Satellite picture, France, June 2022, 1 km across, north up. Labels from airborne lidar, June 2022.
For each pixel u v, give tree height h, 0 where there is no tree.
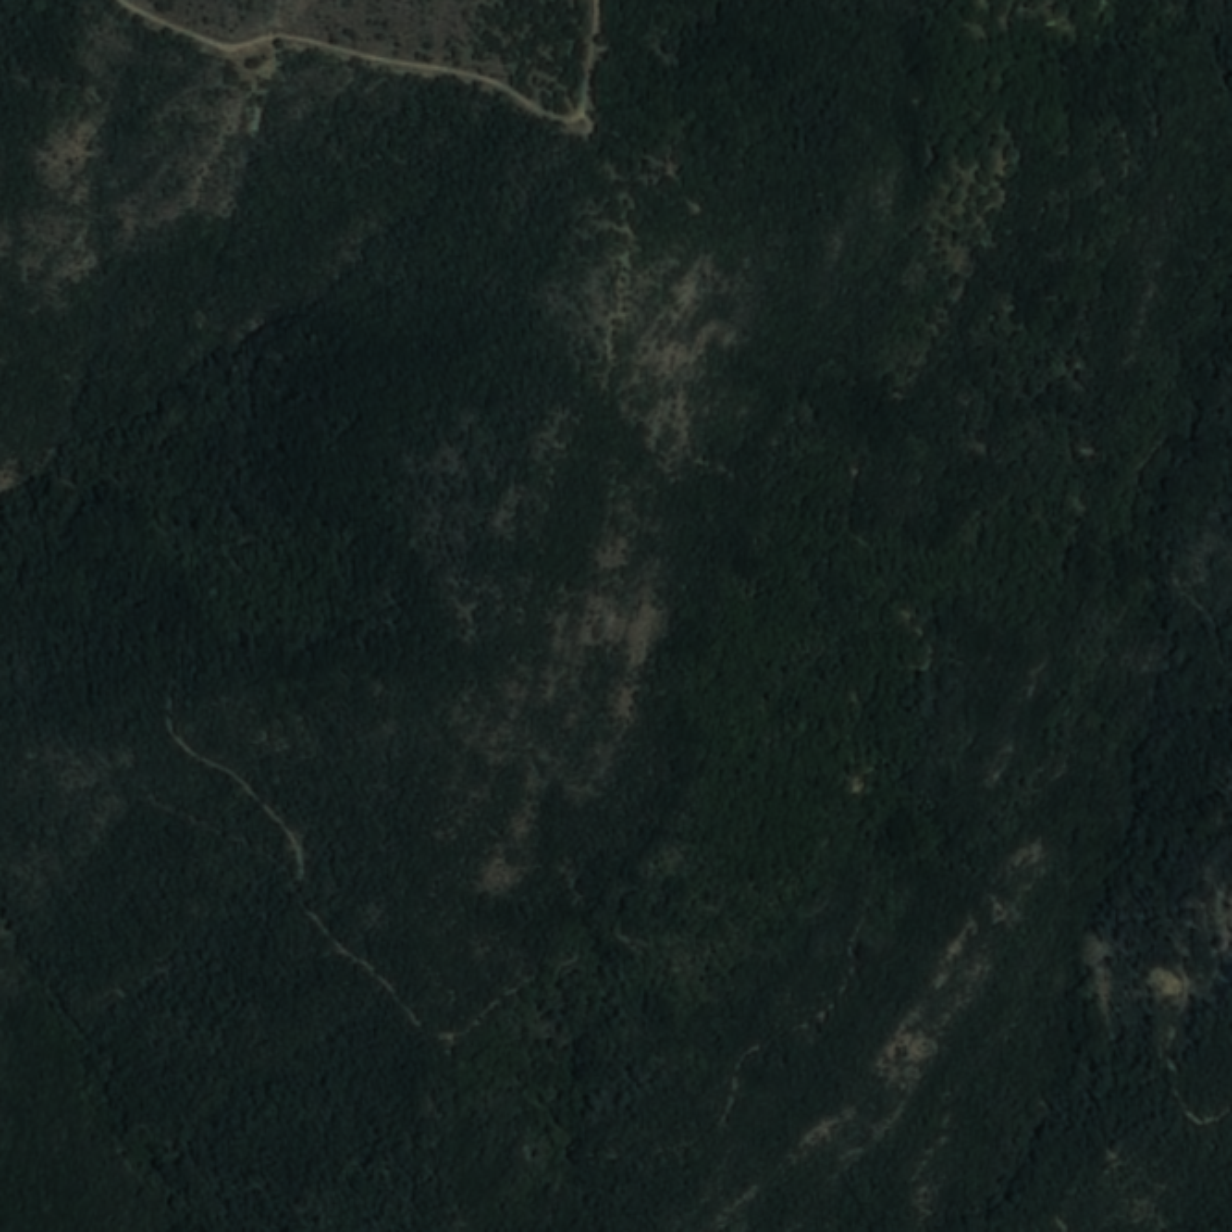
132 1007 6
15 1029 8
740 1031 8
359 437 18
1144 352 7
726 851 10
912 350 8
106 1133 8
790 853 10
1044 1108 15
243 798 12
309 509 14
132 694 12
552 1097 15
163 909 10
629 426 6
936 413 11
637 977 6
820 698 11
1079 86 17
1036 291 15
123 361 10
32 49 9
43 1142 7
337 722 7
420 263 11
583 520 6
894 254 8
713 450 7
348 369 15
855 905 8
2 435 7
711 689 15
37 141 6
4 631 9
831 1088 7
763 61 13
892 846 18
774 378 11
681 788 11
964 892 11
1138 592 15
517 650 9
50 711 9
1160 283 7
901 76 9
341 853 8
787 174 8
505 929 10
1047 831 12
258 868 8
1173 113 11
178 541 12
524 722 7
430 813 6
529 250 6
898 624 12
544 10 8
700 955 7
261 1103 11
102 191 7
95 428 13
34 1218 8
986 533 18
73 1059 8
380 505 12
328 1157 6
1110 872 8
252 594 15
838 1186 6
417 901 7
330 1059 8
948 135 17
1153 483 18
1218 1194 12
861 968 7
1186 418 14
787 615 15
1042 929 7
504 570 8
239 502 17
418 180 9
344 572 10
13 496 18
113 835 7
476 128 8
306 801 10
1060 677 11
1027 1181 21
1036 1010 7
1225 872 9
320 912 9
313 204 10
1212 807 17
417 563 9
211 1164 8
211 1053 14
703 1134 6
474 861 8
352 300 9
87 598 12
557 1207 11
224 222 8
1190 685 10
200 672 11
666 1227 8
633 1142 7
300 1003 10
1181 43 13
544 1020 7
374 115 7
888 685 16
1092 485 16
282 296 6
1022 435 12
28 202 6
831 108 13
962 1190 9
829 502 20
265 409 15
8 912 14
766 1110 9
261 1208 9
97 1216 9
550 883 9
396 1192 13
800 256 7
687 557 9
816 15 11
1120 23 9
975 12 17
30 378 10
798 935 8
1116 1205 6
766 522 16
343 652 15
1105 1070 17
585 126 0
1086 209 13
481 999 14
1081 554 16
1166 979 0
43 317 8
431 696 6
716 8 13
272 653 13
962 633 12
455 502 6
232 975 11
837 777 11
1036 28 15
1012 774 9
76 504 12
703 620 13
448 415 6
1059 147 9
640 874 14
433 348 13
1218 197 13
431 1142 11
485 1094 7
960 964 6
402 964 9
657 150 8
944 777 8
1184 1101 6
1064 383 14
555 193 7
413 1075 10
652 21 7
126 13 7
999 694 10
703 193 6
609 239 5
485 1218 8
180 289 7
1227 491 6
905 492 6
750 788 14
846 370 10
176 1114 7
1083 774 8
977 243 10
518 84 7
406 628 11
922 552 14
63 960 5
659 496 7
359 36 8
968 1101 8
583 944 11
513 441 6
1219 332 22
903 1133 9
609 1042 8
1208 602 7
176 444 12
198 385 9
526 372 6
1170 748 11
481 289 7
